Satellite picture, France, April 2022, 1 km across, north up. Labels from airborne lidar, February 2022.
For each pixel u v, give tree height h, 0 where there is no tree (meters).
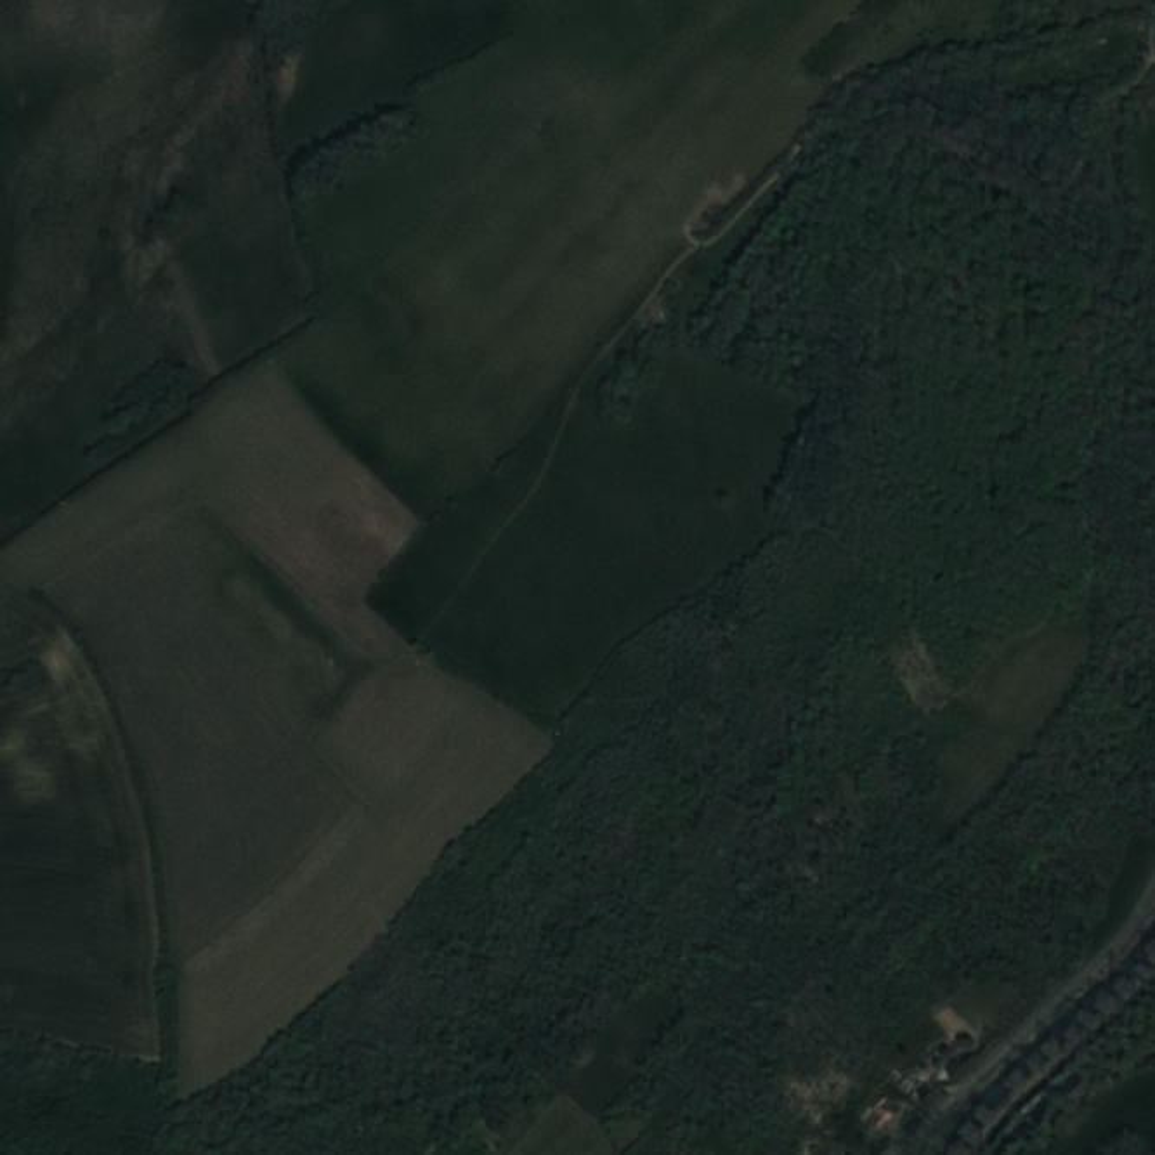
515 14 0
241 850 0
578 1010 20
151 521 0
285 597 0
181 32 0
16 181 0
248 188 0
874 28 0
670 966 17
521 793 6
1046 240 28
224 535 0
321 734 0
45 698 0
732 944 19
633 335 0
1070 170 26
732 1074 16
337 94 0
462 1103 12
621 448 0
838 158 21
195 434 0
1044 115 14
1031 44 21
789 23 0
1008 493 24
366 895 0
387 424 0
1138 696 27
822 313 21
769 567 14
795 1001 21
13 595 0
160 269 0
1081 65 0
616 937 21
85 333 0
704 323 12
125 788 0
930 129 26
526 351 0
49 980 0
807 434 14
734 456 0
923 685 0
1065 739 21
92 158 0
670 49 0
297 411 0
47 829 0
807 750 16
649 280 0
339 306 0
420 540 0
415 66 0
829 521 17
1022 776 19
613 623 0
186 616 0
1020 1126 22
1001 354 26
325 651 0
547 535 0
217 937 0
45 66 0
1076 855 6
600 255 0
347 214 0
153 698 0
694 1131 13
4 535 0
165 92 0
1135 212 18
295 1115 10
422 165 0
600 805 13
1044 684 0
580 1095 0
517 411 0
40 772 0
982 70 26
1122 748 7
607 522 0
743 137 0
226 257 0
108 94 0
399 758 0
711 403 0
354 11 0
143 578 0
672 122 0
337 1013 15
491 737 0
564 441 0
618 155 0
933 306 26
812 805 7
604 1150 0
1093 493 23
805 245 17
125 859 0
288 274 0
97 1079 6
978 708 0
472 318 0
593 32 0
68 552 0
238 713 0
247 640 0
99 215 0
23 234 0
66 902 0
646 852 15
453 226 0
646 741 12
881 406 22
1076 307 25
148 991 0
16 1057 6
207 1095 6
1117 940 0
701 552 0
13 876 0
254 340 0
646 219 0
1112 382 16
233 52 0
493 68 0
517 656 0
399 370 0
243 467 0
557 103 0
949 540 25
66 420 0
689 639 14
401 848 0
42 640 0
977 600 22
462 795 0
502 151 0
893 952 18
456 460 0
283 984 0
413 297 0
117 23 0
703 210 0
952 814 0
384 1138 11
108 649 0
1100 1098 0
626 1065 0
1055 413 22
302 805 0
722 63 0
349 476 0
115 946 0
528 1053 11
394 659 0
